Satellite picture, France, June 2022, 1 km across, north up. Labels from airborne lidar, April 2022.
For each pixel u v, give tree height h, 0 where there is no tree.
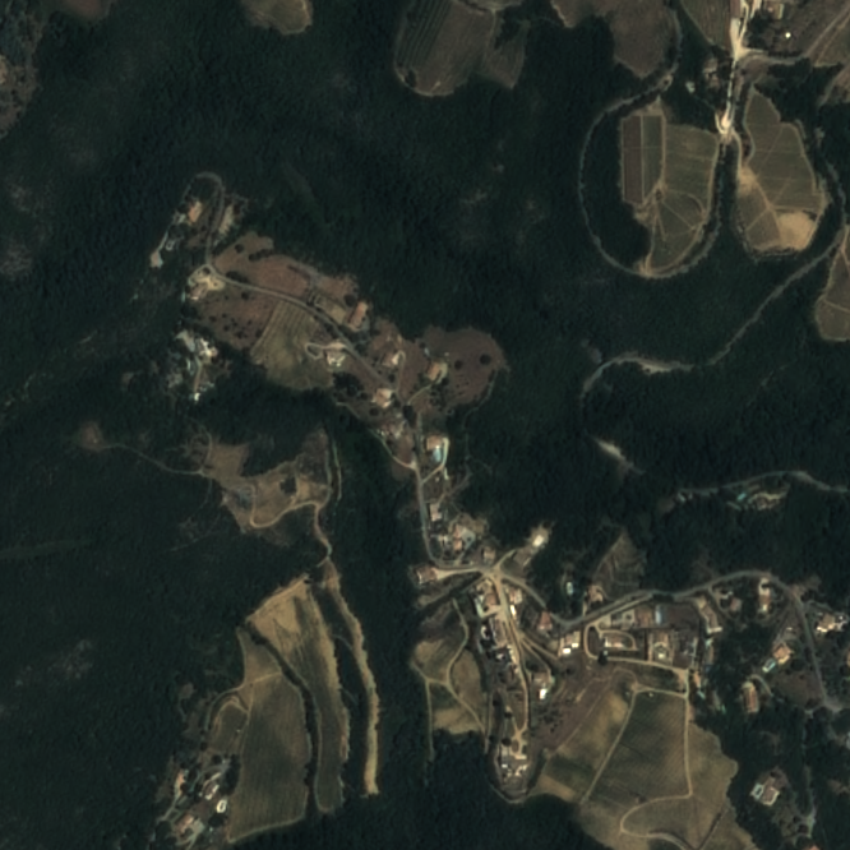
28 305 10
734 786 7
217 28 9
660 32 0
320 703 0
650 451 14
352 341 9
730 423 15
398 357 0
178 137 12
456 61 0
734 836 0
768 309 10
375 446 8
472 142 9
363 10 18
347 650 8
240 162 9
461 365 7
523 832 8
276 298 0
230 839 0
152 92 12
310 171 9
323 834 7
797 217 0
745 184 0
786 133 0
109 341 6
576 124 13
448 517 0
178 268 8
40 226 8
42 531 9
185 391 8
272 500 0
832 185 6
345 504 7
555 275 9
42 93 8
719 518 12
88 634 8
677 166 0
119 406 8
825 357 11
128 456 6
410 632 12
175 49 9
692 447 23
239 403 12
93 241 12
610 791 0
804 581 8
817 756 9
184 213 10
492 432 10
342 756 0
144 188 9
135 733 12
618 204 7
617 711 0
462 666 0
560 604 13
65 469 7
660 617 0
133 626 12
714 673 7
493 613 0
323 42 7
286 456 9
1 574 9
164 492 7
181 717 12
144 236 11
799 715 17
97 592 10
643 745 0
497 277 21
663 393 10
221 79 14
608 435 12
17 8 10
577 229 9
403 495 6
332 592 0
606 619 0
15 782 9
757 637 6
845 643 12
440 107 8
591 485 9
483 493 8
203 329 9
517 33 10
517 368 9
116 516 8
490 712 0
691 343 7
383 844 13
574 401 13
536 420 9
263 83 11
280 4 0
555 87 7
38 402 8
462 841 13
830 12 0
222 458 0
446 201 7
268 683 0
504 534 10
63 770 9
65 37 16
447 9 0
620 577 0
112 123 6
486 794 9
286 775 0
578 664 0
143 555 10
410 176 8
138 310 6
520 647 0
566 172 10
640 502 20
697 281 8
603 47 14
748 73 15
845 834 10
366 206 13
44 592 7
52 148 11
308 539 9
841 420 18
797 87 9
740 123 11
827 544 11
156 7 8
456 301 10
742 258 7
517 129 5
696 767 0
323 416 10
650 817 0
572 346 8
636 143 0
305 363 0
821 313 0
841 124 21
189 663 9
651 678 0
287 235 7
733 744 9
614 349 10
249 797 0
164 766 9
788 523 9
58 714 11
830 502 15
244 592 11
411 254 12
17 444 8
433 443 0
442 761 15
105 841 11
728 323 6
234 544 6
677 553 8
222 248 8
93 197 18
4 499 6
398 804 12
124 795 11
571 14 0
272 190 8
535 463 11
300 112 10
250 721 0
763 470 16
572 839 12
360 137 6
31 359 9
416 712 11
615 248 10
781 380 9
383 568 9
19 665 7
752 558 6
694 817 0
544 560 8
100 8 0
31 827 10
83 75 15
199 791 13
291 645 0
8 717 7
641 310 9
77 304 9
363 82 11
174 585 12
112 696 12
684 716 0
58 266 18
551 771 0
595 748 0
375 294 8
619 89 8
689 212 0
